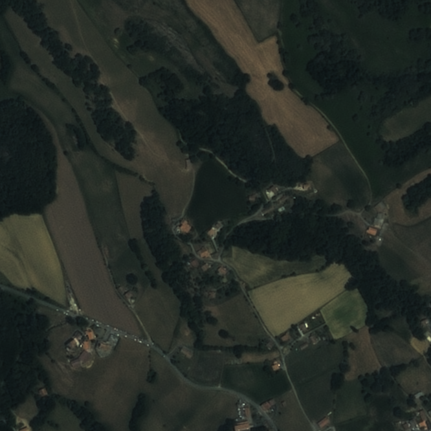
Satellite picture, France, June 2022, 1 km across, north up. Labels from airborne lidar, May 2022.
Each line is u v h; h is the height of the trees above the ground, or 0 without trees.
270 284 0
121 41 0
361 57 12
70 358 14
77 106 0
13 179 17
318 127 0
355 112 0
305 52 0
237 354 13
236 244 15
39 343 26
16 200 27
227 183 0
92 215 0
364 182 0
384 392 11
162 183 0
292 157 7
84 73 18
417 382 0
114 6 0
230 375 0
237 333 0
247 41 0
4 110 24
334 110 0
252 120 6
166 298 0
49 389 8
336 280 0
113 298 0
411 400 15
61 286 0
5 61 17
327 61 23
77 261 0
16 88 0
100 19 0
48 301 12
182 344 0
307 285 0
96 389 0
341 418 0
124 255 0
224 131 21
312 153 0
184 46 0
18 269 0
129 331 0
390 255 0
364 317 0
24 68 0
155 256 18
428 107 0
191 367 0
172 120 18
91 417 24
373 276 24
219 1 0
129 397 0
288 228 28
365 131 0
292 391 0
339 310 0
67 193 0
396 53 0
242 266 0
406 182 0
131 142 7
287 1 0
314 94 0
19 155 16
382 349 0
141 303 0
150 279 7
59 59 21
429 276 0
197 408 0
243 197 0
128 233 0
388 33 0
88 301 0
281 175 7
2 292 22
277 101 0
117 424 0
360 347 0
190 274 8
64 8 0
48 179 16
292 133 0
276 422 0
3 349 17
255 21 0
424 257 0
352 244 14
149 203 17
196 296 9
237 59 0
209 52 0
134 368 0
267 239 24
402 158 19
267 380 0
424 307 12
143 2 0
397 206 0
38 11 20
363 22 0
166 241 15
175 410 0
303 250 24
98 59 0
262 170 24
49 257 0
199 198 0
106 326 0
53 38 20
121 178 0
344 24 0
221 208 0
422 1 8
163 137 0
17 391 28
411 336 0
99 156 7
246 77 12
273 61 0
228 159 24
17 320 21
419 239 0
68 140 0
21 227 0
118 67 0
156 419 0
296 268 0
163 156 0
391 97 22
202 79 12
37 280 0
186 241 12
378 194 0
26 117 26
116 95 0
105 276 0
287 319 0
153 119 0
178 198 0
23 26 0
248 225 8
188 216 0
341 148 0
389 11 21
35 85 0
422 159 0
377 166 0
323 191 0
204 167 0
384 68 0
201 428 0
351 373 0
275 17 0
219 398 0
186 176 0
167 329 0
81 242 0
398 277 0
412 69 15
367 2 16
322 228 20
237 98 8
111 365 0
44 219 0
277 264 0
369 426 0
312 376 0
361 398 0
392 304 22
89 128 0
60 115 0
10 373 11
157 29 0
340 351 0
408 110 0
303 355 0
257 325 0
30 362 21
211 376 0
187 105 23
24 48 0
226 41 0
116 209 0
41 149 25
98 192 0
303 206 15
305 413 0
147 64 0
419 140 16
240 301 0
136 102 0
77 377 0
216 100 8
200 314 17
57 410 0
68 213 0
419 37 23
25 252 0
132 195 0
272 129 10
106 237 0
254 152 11
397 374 22
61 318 0
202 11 0
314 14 14
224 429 20
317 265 0
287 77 8
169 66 0
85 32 0
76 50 0
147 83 22
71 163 0
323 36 15
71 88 0
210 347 10
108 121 16
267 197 0
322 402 0
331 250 21
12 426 14
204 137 22
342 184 0
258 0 0
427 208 0
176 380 0
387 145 20
